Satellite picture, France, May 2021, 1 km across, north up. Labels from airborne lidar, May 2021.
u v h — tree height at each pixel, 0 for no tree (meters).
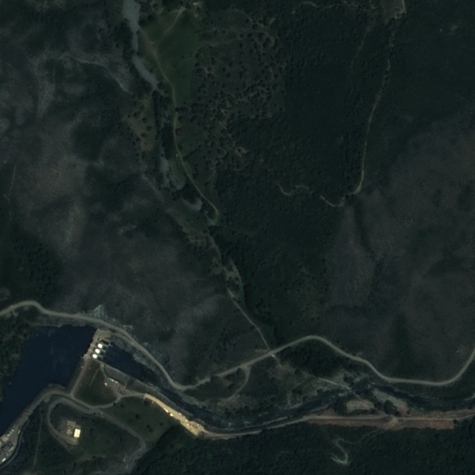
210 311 0
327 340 0
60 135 0
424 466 9
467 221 0
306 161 9
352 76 6
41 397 0
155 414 0
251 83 0
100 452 0
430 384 0
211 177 0
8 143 0
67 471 9
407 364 5
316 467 11
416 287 0
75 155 0
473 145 0
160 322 0
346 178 9
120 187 13
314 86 6
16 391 0
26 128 0
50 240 0
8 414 0
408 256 0
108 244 0
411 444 9
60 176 0
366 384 8
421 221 0
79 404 0
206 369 0
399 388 7
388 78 11
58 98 0
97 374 0
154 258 0
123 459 0
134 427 0
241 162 11
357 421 0
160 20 0
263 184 9
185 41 0
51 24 11
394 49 12
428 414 0
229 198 13
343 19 6
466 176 0
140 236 0
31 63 0
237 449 6
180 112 19
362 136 13
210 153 10
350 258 0
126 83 0
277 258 8
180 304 0
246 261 12
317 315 0
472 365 9
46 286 8
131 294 0
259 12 13
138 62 0
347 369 14
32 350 0
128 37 6
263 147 7
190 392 6
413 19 7
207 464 8
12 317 11
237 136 9
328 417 0
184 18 0
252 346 0
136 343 0
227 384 0
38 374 0
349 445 7
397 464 10
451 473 6
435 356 0
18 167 0
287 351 16
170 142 16
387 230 0
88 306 0
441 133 0
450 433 9
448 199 0
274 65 13
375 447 11
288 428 10
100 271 0
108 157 7
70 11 10
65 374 0
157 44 0
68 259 0
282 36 13
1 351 13
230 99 9
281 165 11
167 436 17
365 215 0
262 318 14
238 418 8
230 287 9
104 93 9
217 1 6
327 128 6
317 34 9
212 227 12
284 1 13
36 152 0
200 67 11
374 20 9
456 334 0
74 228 0
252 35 12
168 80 0
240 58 0
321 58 12
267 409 9
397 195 0
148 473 14
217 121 11
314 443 9
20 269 11
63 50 8
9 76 0
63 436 0
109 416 0
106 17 11
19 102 0
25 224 0
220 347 8
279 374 0
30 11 7
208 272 7
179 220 0
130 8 0
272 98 10
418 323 0
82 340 0
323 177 12
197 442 8
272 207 10
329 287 10
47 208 0
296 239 6
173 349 0
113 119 9
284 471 6
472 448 6
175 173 0
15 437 0
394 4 0
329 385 0
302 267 11
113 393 0
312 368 13
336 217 6
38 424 8
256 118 6
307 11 12
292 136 10
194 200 14
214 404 0
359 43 6
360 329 0
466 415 0
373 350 0
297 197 13
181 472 12
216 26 0
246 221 12
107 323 0
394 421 0
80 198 0
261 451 10
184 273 0
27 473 0
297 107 5
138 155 12
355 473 15
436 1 0
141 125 0
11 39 0
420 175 0
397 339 7
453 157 0
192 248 10
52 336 0
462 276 0
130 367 0
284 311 6
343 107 7
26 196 0
